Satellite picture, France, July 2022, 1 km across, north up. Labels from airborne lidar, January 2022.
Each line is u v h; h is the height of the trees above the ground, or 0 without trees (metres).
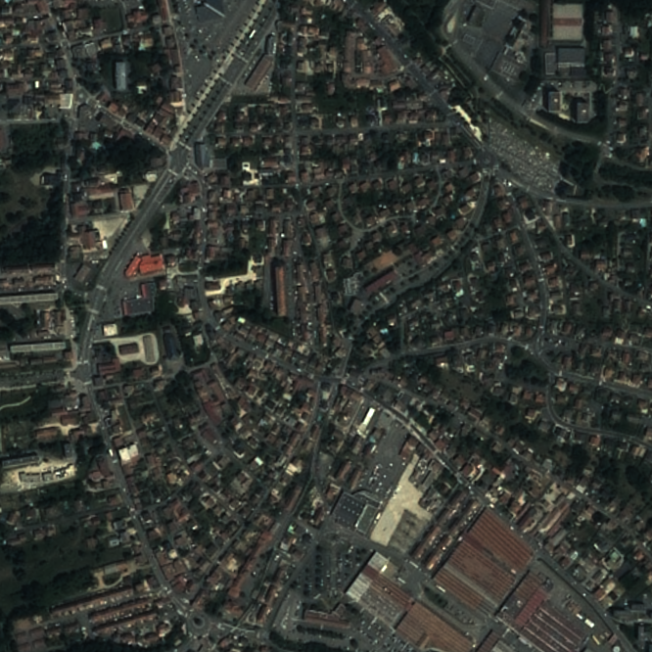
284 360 0
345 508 0
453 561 0
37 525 0
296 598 0
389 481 0
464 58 0
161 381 0
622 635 0
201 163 0
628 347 0
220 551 0
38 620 0
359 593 0
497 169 0
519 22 17
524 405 0
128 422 0
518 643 0
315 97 0
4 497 0
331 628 0
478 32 0
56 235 23
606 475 17
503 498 0
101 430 0
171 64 0
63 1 0
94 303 0
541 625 0
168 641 8
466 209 0
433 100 0
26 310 9
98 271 0
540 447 0
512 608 0
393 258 0
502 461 7
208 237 0
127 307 0
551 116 11
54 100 0
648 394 0
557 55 0
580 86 0
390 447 0
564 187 22
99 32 0
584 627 0
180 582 0
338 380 0
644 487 15
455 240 0
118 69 0
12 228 0
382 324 7
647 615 0
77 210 0
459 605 0
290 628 0
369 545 0
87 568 7
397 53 0
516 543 0
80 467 16
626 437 0
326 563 0
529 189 0
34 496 0
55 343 0
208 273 13
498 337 0
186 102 0
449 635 0
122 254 0
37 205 0
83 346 0
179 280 0
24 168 21
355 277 0
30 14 0
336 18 9
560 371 0
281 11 11
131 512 0
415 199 9
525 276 6
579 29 0
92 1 0
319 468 0
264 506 6
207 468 0
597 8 12
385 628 0
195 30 0
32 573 0
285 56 6
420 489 0
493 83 0
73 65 10
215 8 0
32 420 16
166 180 0
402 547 0
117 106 0
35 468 0
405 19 11
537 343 0
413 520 0
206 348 6
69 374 0
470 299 0
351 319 7
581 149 15
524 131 0
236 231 7
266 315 13
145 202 0
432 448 0
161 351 0
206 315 0
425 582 0
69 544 0
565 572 0
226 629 0
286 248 0
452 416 7
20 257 8
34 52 0
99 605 0
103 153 19
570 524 10
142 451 0
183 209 0
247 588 0
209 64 0
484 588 0
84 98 0
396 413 0
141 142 24
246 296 7
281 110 0
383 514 0
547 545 0
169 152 0
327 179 0
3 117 0
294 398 6
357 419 0
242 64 0
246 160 0
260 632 0
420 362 12
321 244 0
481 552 0
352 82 0
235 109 6
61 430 0
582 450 12
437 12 13
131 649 20
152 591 0
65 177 0
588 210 0
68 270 0
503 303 0
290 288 0
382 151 9
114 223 0
